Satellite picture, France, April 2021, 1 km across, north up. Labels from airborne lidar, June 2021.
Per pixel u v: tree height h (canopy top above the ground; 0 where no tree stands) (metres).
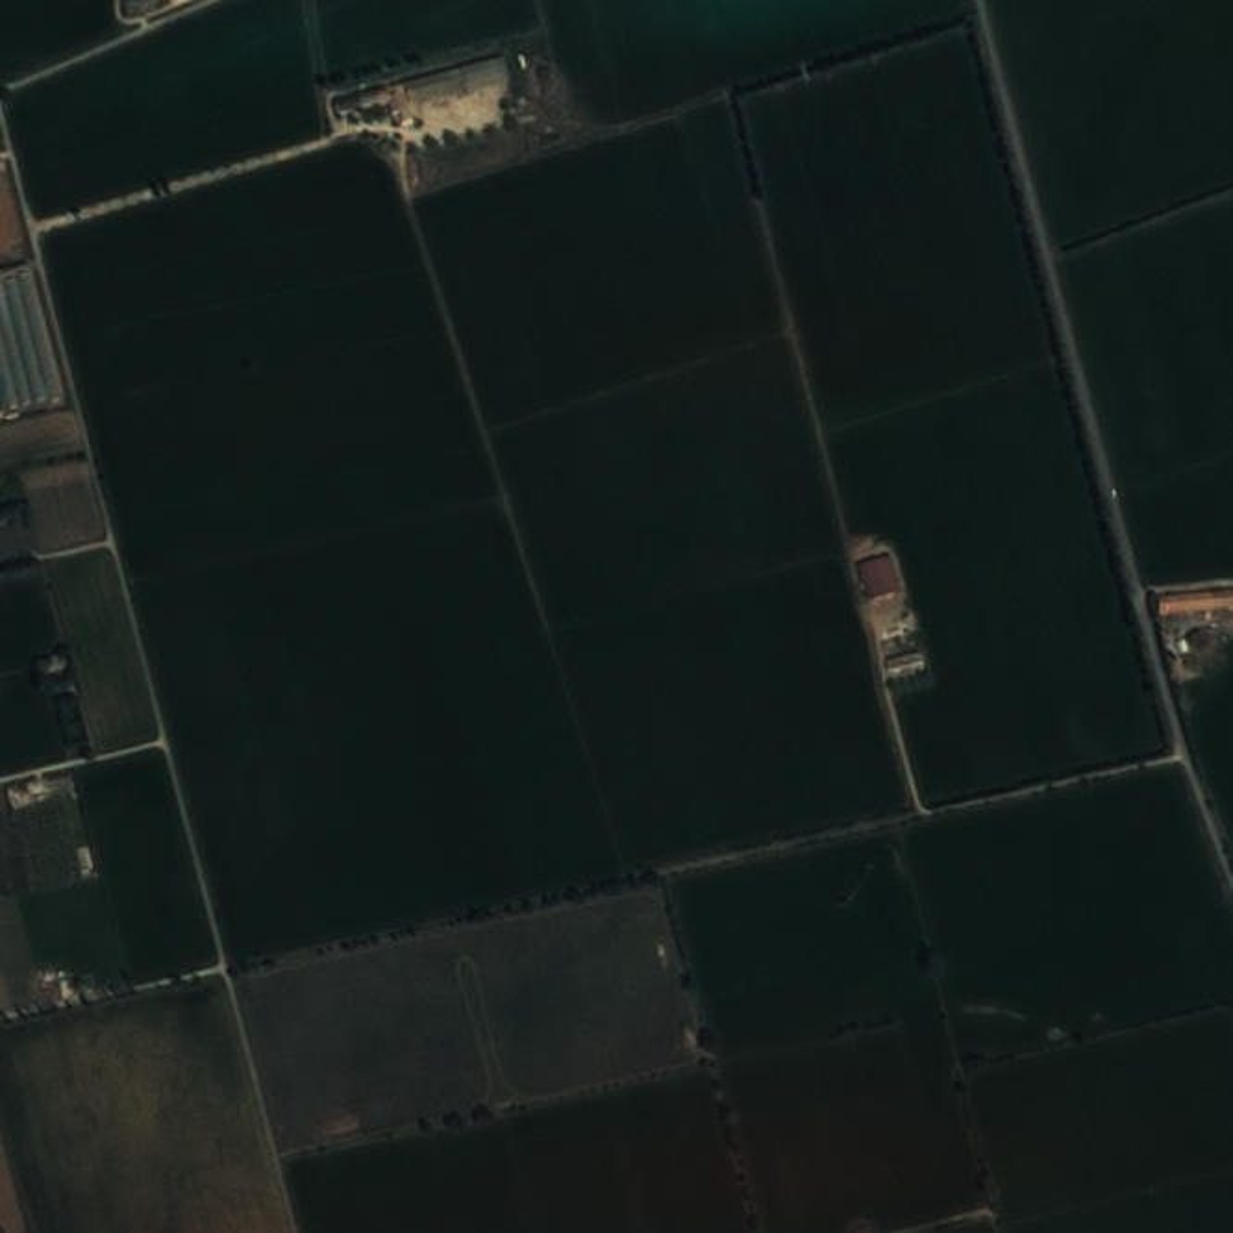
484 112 0
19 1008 0
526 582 0
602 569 0
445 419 0
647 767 0
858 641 0
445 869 0
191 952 0
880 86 0
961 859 0
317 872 0
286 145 0
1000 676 0
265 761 0
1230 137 0
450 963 0
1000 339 0
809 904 0
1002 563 0
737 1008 0
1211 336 0
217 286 0
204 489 0
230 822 0
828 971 0
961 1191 0
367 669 0
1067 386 13
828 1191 0
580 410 0
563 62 0
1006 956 0
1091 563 0
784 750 0
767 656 0
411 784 0
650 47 0
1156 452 0
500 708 0
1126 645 0
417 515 0
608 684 0
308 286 0
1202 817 0
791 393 0
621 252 0
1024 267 0
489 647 0
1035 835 0
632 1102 0
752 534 0
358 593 0
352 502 0
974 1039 0
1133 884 0
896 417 0
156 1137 0
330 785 0
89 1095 0
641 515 0
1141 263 0
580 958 0
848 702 0
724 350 0
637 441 0
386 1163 0
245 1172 0
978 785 0
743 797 0
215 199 0
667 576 0
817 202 0
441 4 0
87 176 0
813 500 0
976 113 0
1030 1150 0
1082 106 0
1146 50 0
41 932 0
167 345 0
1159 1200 0
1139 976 0
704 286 0
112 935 0
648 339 0
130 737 0
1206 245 0
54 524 0
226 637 0
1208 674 0
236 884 0
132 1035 0
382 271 0
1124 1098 0
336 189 0
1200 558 0
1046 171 0
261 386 0
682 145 0
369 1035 0
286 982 0
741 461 0
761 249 0
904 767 0
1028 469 0
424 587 0
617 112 0
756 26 0
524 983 0
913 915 0
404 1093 0
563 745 0
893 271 0
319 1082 0
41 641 0
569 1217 0
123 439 0
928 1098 0
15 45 0
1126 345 0
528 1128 0
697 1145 0
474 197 0
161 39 0
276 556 0
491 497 0
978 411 0
